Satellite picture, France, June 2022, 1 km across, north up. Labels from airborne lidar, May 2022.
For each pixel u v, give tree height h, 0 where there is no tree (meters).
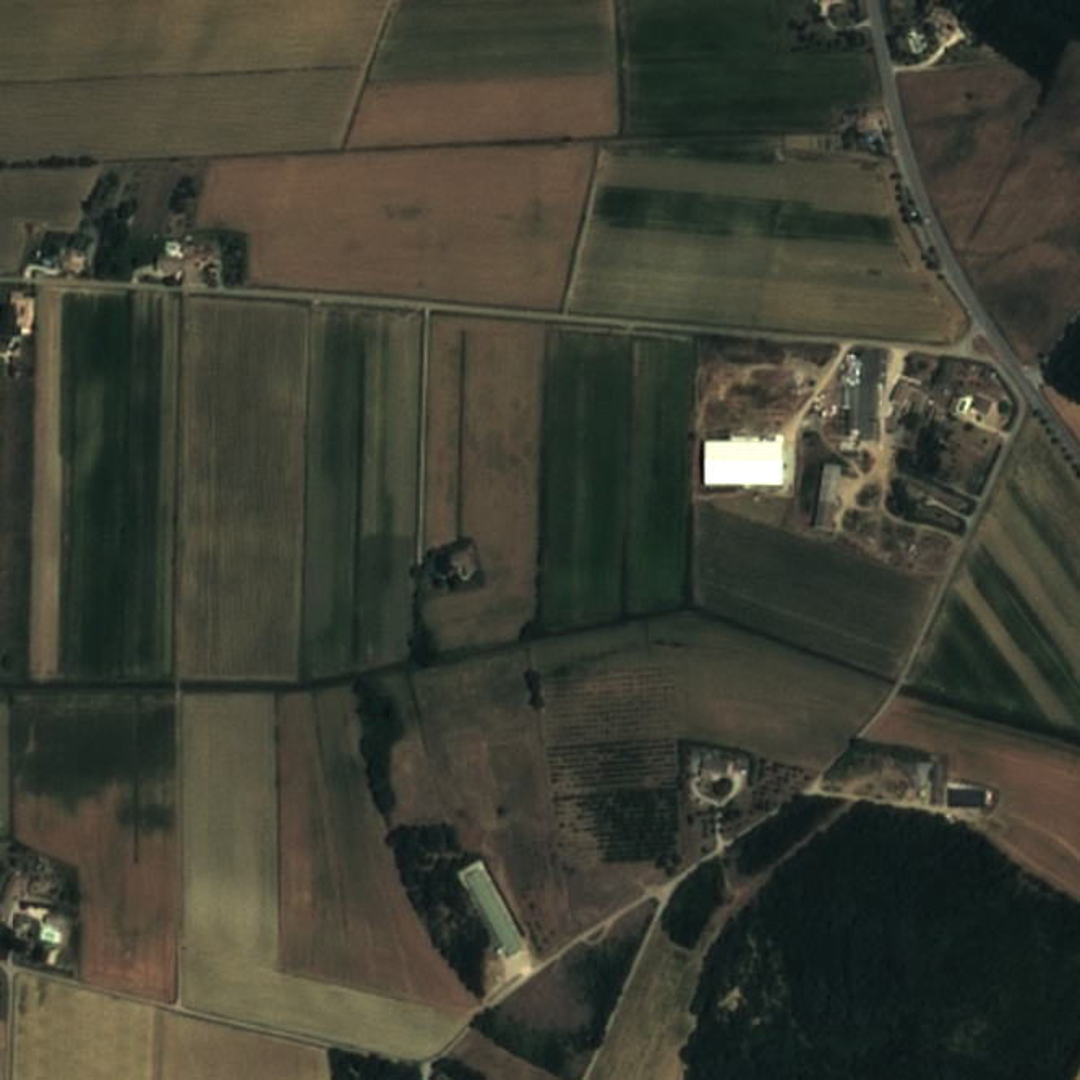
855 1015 9
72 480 0
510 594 0
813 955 8
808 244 0
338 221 0
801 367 0
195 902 0
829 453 0
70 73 0
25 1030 0
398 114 0
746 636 0
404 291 0
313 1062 0
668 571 0
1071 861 0
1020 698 0
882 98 0
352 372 0
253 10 0
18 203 0
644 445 0
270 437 0
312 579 0
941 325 0
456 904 10
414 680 0
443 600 0
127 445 0
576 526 0
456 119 0
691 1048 6
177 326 0
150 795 0
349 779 0
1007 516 0
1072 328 13
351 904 0
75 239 9
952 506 0
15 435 0
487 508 0
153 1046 0
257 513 0
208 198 0
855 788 0
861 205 0
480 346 0
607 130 0
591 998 7
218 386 0
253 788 0
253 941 0
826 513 0
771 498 0
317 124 0
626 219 0
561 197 0
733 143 0
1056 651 0
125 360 0
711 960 7
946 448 7
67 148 0
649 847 6
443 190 0
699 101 0
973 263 0
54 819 0
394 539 0
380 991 0
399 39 0
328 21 0
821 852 9
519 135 0
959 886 7
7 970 0
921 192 0
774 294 0
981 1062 11
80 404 0
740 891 0
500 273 0
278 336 0
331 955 0
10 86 0
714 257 0
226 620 0
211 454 0
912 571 0
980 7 9
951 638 0
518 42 0
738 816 10
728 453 0
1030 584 0
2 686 0
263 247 0
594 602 0
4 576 0
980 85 0
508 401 0
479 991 7
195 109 0
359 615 0
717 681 0
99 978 0
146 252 0
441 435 0
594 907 0
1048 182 0
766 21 0
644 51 0
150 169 0
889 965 11
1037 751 0
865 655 0
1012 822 0
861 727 0
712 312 0
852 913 10
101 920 0
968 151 0
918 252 0
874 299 0
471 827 0
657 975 0
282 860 0
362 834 0
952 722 0
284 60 0
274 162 0
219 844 0
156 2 0
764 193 0
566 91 0
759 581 0
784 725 0
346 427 0
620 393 0
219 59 0
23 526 0
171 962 0
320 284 0
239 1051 0
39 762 0
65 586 0
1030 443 0
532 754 0
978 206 0
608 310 0
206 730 0
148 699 0
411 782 0
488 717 0
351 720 0
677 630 0
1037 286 0
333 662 0
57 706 0
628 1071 0
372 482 0
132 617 0
